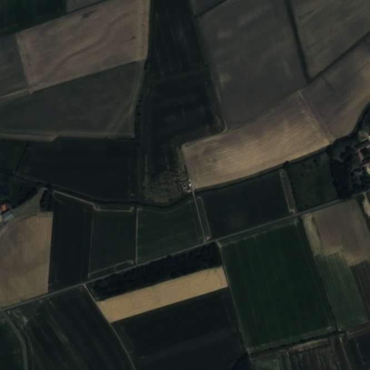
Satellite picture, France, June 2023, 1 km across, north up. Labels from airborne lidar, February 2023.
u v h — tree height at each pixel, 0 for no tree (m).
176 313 0
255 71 0
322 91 0
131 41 0
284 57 0
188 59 0
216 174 0
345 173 26
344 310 0
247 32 0
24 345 0
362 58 0
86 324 0
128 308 0
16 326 0
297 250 0
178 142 0
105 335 0
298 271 0
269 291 0
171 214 0
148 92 0
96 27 0
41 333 0
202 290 0
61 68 0
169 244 0
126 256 0
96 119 0
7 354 0
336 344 0
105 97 0
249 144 0
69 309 0
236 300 0
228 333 0
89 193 0
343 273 0
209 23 0
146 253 0
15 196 0
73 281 0
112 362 0
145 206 0
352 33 0
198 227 0
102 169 0
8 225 0
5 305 0
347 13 0
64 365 0
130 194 0
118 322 0
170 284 0
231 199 0
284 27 0
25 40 0
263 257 0
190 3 0
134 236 0
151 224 0
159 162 0
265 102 0
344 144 16
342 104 0
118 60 0
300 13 0
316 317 0
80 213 0
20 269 0
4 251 0
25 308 0
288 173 6
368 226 0
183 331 0
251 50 0
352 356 0
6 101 0
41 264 0
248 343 0
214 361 0
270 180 0
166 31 0
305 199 0
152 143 0
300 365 0
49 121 0
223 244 0
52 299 0
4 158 0
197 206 0
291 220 0
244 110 0
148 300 0
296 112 0
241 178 0
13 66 0
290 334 0
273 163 0
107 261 0
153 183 0
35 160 0
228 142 0
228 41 0
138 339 0
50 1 0
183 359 0
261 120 0
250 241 0
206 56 0
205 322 0
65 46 0
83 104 0
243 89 0
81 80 0
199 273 0
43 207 15
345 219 0
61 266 0
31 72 0
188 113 0
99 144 0
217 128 0
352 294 0
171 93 0
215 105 0
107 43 0
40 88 0
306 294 0
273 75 0
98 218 0
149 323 0
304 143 0
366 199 0
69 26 0
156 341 0
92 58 0
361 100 0
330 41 0
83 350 0
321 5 0
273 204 0
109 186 0
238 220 0
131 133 0
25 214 0
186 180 0
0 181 0
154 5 0
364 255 0
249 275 0
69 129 0
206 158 0
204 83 0
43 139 0
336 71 0
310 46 0
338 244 0
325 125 0
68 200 0
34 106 0
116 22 0
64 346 0
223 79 0
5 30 0
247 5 0
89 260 0
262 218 0
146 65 10
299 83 0
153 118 0
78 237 0
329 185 0
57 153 0
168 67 0
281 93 0
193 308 0
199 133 0
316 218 0
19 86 0
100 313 0
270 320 0
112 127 0
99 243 0
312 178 0
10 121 0
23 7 0
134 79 0
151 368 0
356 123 0
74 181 0
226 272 0
